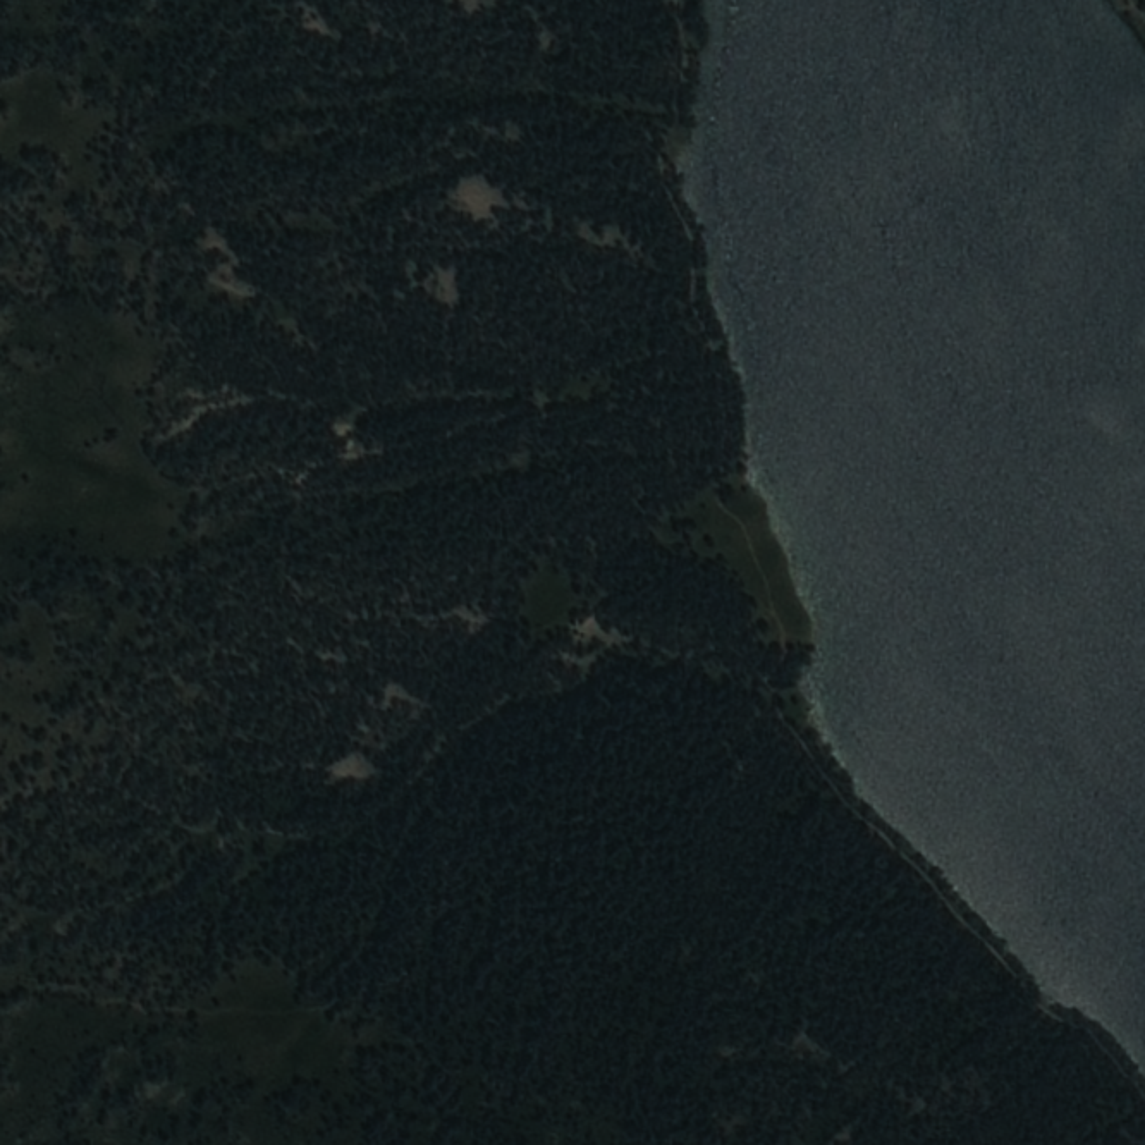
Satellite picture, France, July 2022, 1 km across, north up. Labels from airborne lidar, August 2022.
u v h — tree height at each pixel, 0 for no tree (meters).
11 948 11
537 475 19
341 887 17
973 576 0
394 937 11
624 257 19
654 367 9
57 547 8
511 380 13
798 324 0
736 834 11
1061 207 0
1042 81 0
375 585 6
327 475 10
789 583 0
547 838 8
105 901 7
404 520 17
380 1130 13
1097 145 0
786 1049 10
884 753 0
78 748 15
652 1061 10
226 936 7
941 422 0
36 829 7
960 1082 7
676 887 13
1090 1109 7
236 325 14
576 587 12
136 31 12
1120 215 0
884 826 11
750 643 17
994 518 0
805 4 0
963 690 0
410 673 16
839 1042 11
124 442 0
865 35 0
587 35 18
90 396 0
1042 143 0
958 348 0
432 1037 10
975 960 11
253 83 10
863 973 13
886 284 0
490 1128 7
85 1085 10
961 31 0
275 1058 0
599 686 17
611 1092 18
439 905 16
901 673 0
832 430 0
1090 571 0
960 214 0
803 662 12
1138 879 0
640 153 13
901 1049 6
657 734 18
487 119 17
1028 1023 12
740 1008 12
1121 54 0
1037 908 0
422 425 11
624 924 9
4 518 0
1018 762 0
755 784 10
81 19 10
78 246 0
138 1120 11
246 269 13
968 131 0
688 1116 7
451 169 7
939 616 0
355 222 12
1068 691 0
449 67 20
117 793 14
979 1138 7
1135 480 0
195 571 17
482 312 18
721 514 0
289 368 10
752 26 0
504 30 19
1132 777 0
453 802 24
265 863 12
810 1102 9
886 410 0
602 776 21
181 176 16
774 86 0
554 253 13
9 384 0
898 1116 15
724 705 13
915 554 0
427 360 9
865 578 0
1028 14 0
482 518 17
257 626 10
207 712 17
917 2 0
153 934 7
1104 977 0
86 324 0
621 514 19
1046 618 0
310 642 9
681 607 10
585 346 18
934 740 0
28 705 0
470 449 13
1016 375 0
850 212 0
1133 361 0
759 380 0
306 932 14
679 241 14
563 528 19
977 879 0
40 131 0
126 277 8
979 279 0
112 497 0
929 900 14
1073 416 0
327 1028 0
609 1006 6
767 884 12
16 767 10
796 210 0
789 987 11
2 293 8
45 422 0
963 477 0
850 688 0
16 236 10
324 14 12
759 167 0
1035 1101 12
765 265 0
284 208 17
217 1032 0
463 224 20
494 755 17
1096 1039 12
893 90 0
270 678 11
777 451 0
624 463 15
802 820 16
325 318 8
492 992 14
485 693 13
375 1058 13
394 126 8
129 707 6
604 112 8
